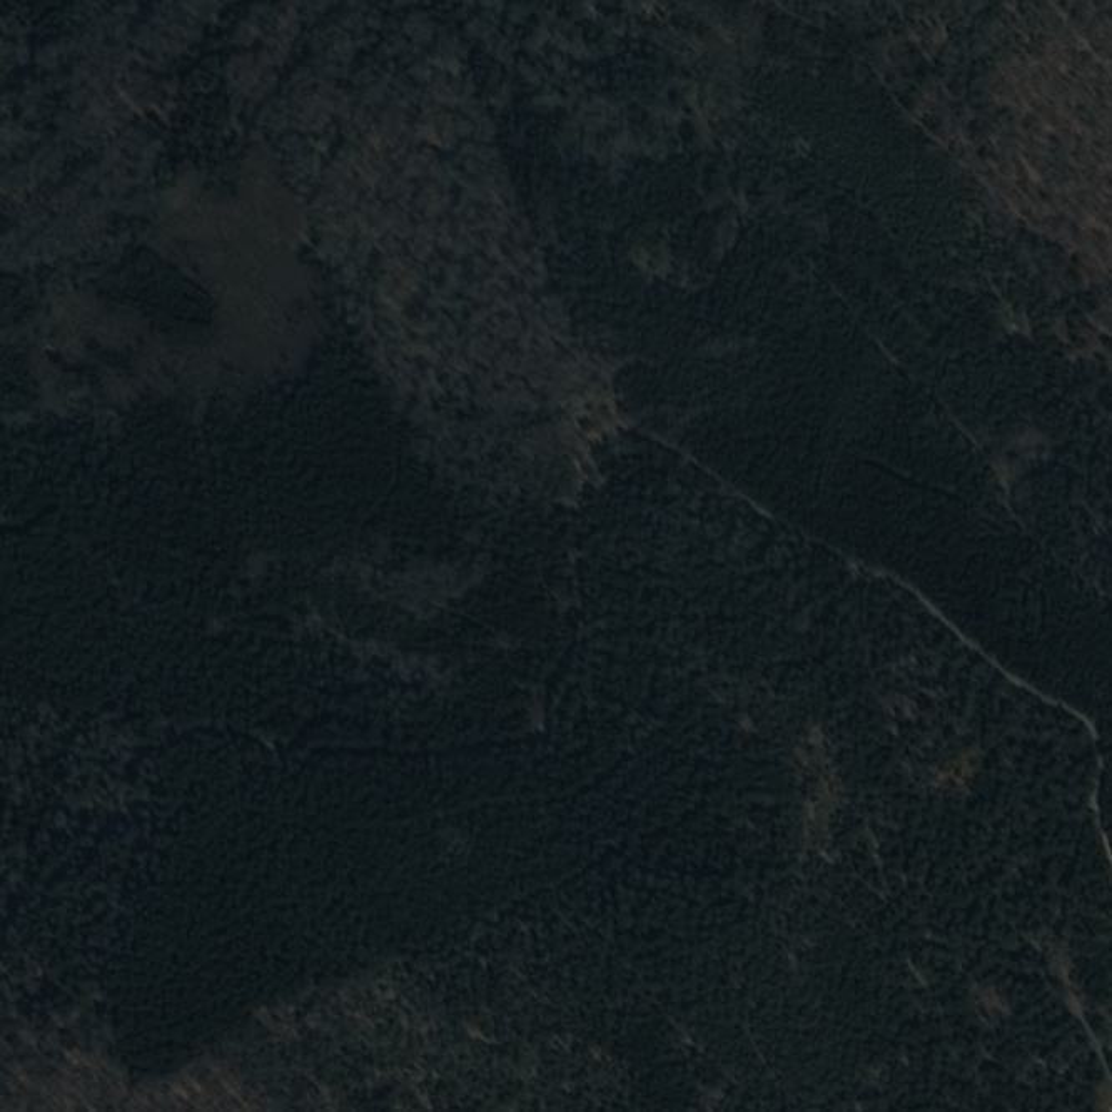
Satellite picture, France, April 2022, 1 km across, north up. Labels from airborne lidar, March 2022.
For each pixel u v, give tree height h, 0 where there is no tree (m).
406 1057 23
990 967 27
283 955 25
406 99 29
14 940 27
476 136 23
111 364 17
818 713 9
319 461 29
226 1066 26
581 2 29
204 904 28
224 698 26
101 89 37
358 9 26
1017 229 36
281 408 19
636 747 11
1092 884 28
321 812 29
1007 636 19
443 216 31
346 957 27
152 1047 26
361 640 12
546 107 18
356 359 27
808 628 21
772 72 20
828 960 24
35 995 28
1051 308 17
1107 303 29
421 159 31
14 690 24
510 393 18
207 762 28
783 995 21
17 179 25
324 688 20
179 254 16
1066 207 29
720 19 32
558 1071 23
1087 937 21
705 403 18
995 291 18
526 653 6
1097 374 14
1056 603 24
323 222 21
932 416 23
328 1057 19
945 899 29
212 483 20
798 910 17
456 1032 19
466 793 19
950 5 24
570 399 13
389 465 28
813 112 22
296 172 27
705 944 20
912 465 24
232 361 15
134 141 32
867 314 23
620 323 20
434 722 29
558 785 18
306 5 24
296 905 26
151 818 30
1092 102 18
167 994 24
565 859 20
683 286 13
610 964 22
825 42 24
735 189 12
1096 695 17
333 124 27
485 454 18
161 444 19
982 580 26
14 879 15
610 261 17
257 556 26
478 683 22
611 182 16
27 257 30
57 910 31
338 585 21
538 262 27
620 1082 21
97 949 29
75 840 12
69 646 28
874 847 19
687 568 20
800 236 31
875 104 19
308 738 9
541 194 25
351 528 25
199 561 29
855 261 23
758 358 21
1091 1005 11
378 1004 12
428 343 7
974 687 14
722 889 17
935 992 7
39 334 28
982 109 8
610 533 20
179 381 17
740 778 20
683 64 24
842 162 21
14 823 22
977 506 23
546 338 24
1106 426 40
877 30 26
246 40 26
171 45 35
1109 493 32
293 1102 20
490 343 26
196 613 27
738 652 12
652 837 21
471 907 16
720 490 14
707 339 21
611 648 23
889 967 27
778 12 21
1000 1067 12
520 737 21
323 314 14
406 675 32
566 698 21
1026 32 20
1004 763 22
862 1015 20
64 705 28
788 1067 19
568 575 32
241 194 18
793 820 7
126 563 26
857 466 24
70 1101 28
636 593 22
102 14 28
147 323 21
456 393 18
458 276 28
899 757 25
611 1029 22
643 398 21
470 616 10
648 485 17
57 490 31
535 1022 22
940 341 21
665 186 23
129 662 29
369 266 24
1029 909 34
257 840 25
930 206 22
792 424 19
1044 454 7
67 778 17
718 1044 16
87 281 27
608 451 8
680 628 24
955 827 12
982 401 21
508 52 32
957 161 31
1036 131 23
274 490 27
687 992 24
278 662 18
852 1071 20
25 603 24
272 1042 17
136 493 31
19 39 25
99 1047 32
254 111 24
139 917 26
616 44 20
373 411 28
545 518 13
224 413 18
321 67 26
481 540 21
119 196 33
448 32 30
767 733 7
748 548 25
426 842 20
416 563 32
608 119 17
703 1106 16
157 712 29
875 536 22
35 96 27
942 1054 25
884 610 19
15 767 24
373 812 23
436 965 12
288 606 24
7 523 24
